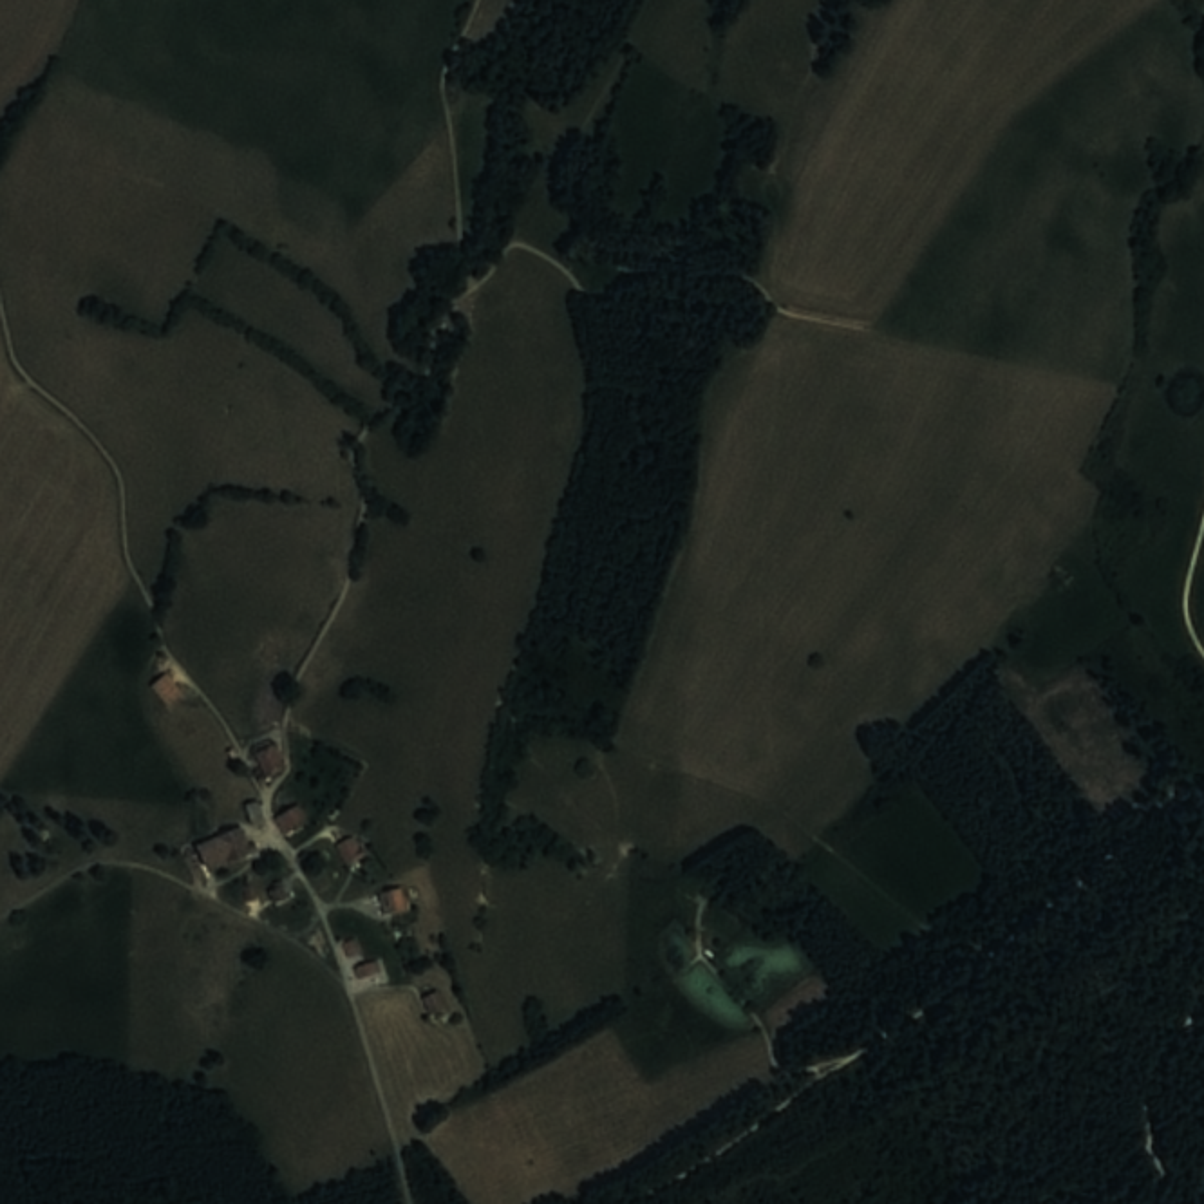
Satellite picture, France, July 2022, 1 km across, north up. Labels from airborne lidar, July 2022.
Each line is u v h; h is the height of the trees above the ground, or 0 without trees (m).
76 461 0
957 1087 14
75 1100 17
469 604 0
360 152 0
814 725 0
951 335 0
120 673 0
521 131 30
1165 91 0
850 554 0
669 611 0
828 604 0
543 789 0
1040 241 0
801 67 0
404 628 0
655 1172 21
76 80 0
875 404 0
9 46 0
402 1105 0
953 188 0
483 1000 0
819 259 0
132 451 0
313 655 0
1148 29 0
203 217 0
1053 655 0
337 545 0
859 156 0
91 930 0
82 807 0
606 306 17
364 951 0
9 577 0
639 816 0
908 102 0
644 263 20
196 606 0
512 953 0
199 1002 0
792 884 18
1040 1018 20
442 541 0
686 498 16
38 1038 0
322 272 0
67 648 0
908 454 0
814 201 0
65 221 0
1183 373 0
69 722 0
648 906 0
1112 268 0
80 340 0
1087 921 29
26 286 0
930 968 15
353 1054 0
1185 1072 30
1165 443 0
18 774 0
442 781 0
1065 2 0
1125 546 0
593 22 27
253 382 0
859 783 0
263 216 0
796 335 0
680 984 0
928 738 26
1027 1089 21
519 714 19
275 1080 0
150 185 0
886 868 0
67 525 0
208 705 0
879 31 0
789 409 0
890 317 0
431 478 0
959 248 0
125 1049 0
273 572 0
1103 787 0
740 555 0
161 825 0
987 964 29
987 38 0
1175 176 12
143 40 0
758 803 0
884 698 0
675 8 0
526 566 0
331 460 0
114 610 0
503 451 0
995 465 0
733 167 16
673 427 23
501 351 0
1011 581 0
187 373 0
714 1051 0
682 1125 0
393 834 0
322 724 0
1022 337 0
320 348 0
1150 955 23
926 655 0
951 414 0
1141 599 0
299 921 0
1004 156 0
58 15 0
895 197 0
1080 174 0
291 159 0
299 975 0
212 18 0
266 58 0
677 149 0
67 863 0
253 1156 18
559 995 0
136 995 0
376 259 0
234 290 0
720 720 0
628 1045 0
